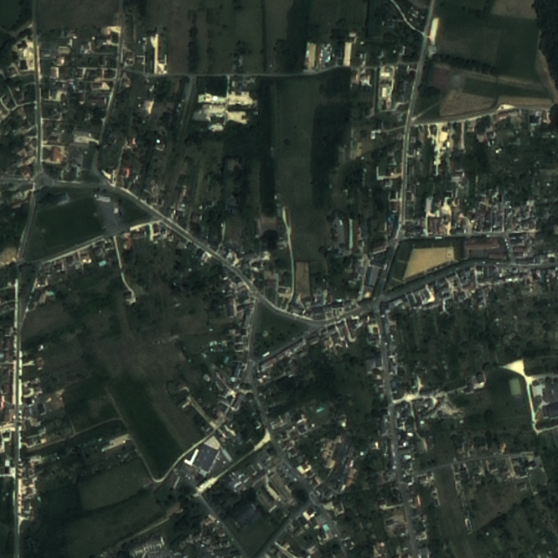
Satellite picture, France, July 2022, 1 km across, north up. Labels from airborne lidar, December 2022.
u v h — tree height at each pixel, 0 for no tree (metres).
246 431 10
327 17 0
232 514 14
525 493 0
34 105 7
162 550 0
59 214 0
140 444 0
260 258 0
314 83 0
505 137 0
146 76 0
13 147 10
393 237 0
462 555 0
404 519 0
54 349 0
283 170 0
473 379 0
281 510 7
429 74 11
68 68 0
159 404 0
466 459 0
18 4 0
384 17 6
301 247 0
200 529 6
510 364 0
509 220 0
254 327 0
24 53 7
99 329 0
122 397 0
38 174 0
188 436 0
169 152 0
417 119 0
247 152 6
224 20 0
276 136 0
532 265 0
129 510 0
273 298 0
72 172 0
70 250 0
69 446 9
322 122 8
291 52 13
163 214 0
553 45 17
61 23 0
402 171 0
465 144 0
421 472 0
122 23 0
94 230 0
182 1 0
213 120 8
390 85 0
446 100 0
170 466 0
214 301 8
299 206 0
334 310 0
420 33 12
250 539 0
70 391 0
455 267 9
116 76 0
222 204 10
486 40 0
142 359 0
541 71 0
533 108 0
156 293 0
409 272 0
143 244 0
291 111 0
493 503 0
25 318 0
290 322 0
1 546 0
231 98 0
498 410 0
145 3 10
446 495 0
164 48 0
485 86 0
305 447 8
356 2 0
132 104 0
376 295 11
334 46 9
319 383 8
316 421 0
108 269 8
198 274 11
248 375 0
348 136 0
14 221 7
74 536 0
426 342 8
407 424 8
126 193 0
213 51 8
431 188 0
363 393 0
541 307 6
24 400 7
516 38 0
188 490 10
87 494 0
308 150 0
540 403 0
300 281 0
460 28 0
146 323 0
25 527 0
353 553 9
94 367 0
